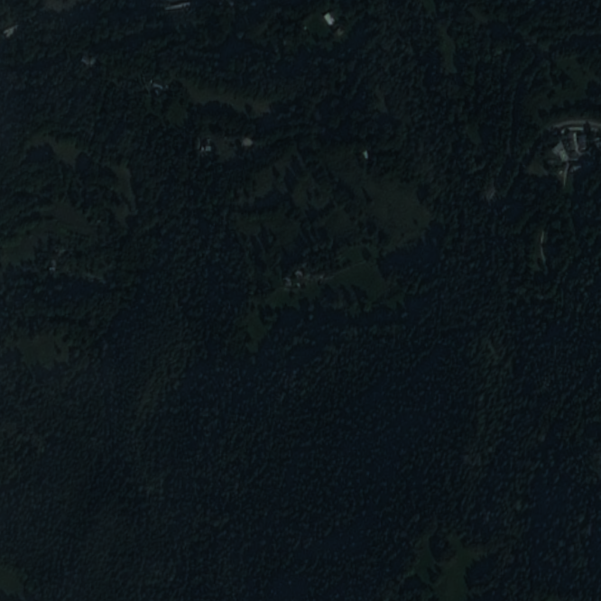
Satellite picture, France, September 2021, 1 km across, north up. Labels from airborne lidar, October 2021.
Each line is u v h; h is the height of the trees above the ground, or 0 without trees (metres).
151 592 16
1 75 17
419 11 15
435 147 29
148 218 17
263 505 22
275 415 27
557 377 20
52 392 25
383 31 21
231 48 0
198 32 8
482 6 17
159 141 20
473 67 19
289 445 24
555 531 13
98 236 8
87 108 28
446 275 23
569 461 24
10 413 21
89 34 25
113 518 27
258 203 0
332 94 12
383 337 27
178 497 29
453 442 22
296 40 20
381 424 26
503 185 19
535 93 16
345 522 26
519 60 22
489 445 22
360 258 0
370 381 16
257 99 17
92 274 7
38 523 33
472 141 0
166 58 13
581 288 11
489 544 25
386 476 18
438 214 18
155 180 28
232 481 23
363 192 0
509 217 0
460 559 0
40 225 15
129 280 23
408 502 26
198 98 0
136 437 25
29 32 16
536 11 16
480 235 13
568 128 0
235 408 27
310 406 27
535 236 20
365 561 29
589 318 15
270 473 27
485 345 15
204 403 24
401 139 26
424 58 10
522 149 16
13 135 31
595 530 9
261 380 23
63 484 21
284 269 9
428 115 26
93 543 29
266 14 29
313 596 18
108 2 23
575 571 25
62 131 18
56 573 27
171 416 34
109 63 17
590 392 19
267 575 18
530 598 24
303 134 23
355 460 19
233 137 8
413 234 0
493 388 20
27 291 16
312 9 18
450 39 11
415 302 0
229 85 18
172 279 15
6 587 0
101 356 38
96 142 24
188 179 9
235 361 9
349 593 27
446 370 17
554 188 18
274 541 15
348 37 0
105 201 20
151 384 13
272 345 9
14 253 0
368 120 19
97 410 36
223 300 24
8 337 23
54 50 18
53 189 16
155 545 27
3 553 24
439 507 25
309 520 14
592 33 17
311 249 20
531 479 22
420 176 23
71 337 15
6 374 25
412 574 8
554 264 20
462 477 21
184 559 17
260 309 0
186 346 26
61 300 17
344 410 21
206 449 29
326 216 10
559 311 16
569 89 15
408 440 19
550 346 19
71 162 0
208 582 15
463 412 21
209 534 22
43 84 21
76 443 25
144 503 19
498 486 31
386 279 24
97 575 21
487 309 21
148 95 9
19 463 23
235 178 16
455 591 0
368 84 20
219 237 30
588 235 23
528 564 14
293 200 0
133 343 22
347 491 18
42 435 28
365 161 11
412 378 19
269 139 23
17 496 32
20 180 22
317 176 21
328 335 17
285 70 10
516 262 25
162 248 21
